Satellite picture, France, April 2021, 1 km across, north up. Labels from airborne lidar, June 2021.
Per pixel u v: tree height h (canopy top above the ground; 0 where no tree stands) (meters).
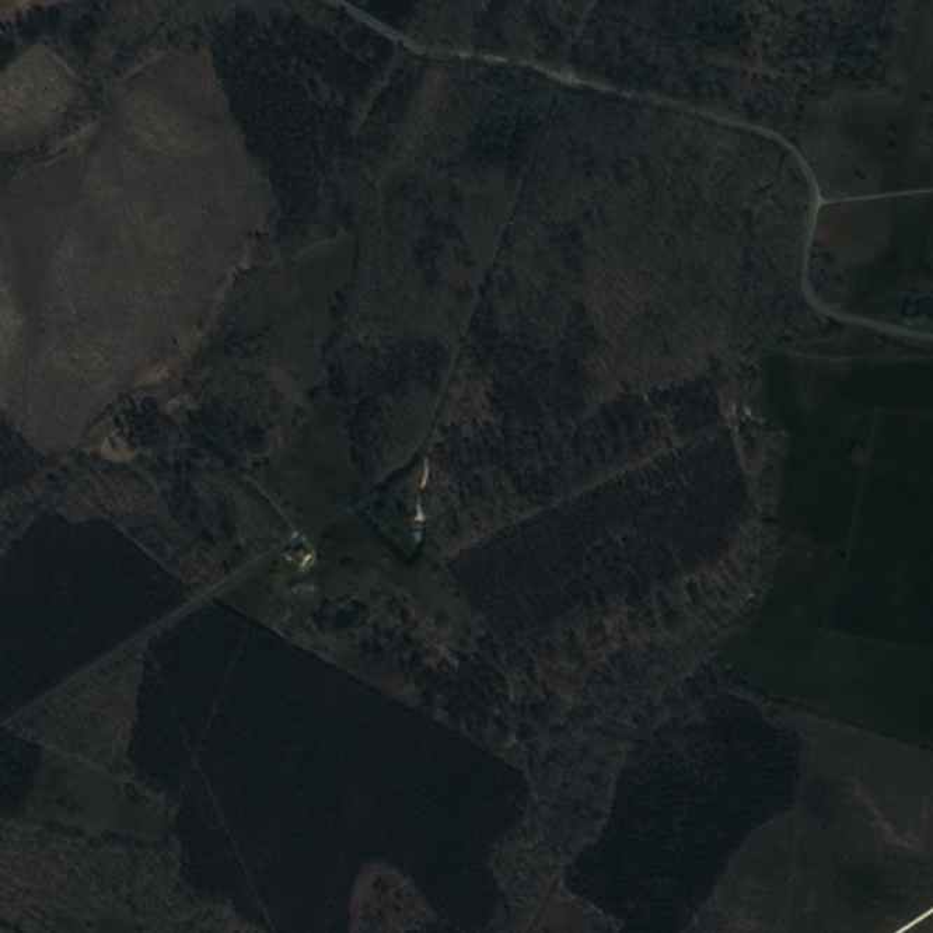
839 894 0
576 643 15
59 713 14
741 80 20
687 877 11
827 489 0
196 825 11
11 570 11
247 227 0
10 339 0
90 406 0
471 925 11
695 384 11
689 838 8
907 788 0
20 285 0
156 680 11
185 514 16
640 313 15
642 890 9
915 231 0
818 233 0
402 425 18
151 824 0
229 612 12
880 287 0
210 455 15
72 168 0
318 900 10
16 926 16
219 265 0
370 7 10
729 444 15
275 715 11
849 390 0
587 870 9
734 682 12
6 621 11
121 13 12
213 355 0
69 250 0
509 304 20
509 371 25
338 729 11
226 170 0
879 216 0
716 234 13
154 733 11
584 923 0
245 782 10
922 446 0
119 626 10
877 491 0
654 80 29
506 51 9
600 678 16
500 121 18
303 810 11
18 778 19
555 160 17
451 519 17
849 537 0
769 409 0
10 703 11
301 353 0
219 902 21
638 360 14
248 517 13
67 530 10
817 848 0
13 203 0
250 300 0
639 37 18
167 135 0
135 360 0
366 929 7
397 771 12
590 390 17
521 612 13
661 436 17
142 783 11
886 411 0
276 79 20
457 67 18
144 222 0
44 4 0
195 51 6
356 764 11
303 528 0
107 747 16
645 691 17
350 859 11
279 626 0
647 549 11
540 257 20
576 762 23
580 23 21
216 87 0
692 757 7
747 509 12
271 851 11
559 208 19
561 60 20
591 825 19
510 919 15
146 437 18
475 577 14
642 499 12
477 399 10
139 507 14
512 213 14
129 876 18
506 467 28
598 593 8
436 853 10
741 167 17
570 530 13
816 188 0
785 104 17
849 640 0
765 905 0
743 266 17
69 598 10
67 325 0
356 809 11
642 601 23
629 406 13
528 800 11
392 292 14
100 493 18
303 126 15
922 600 0
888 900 0
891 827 0
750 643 0
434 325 12
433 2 8
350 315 17
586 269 21
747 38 17
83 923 20
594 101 20
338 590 0
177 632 10
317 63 18
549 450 26
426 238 13
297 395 0
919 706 0
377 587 0
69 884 16
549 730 11
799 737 7
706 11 17
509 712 18
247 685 11
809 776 0
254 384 14
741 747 7
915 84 0
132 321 0
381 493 23
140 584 10
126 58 13
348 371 22
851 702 0
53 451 0
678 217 18
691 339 15
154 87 0
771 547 16
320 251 0
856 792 0
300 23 17
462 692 18
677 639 24
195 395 12
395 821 12
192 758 10
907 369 0
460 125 21
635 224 21
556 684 12
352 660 0
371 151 16
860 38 10
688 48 19
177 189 0
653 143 19
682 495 11
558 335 18
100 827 0
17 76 0
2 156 0
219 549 12
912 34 0
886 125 0
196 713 9
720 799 10
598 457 17
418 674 14
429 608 0
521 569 14
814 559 0
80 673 6
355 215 20
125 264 0
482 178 17
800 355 0
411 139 24
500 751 7
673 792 8
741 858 0
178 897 16
